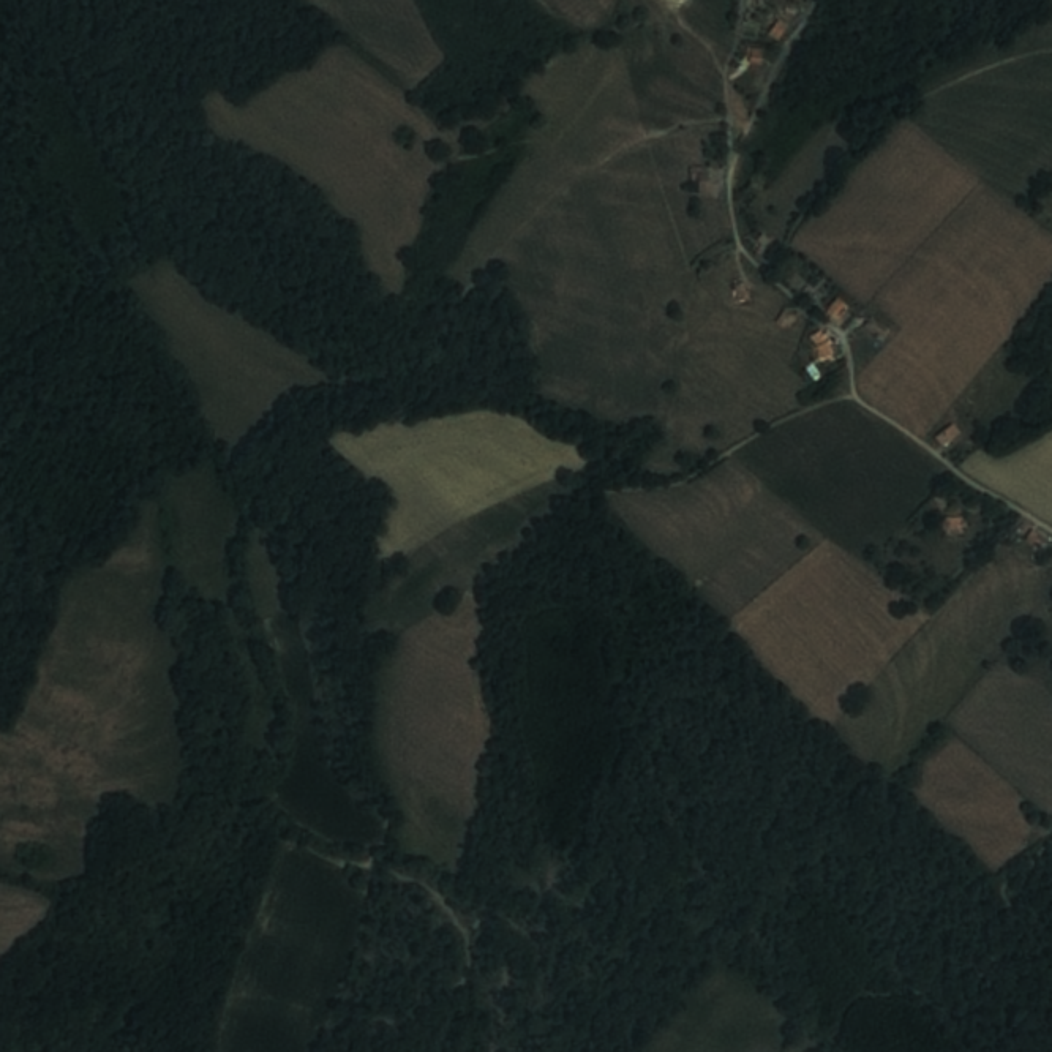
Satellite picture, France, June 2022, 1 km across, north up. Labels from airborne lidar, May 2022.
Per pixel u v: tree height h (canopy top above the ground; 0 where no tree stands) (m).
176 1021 20
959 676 0
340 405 21
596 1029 21
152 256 11
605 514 13
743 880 22
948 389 0
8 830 0
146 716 0
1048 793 0
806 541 10
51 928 14
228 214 19
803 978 22
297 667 0
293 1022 0
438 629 0
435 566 0
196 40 22
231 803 18
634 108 0
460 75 6
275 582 0
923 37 13
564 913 24
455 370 13
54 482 17
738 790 21
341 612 22
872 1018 7
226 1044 0
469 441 0
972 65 0
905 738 0
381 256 0
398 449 0
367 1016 19
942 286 0
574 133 0
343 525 23
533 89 0
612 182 0
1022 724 0
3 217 13
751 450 0
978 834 0
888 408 0
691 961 14
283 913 0
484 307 13
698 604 13
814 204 17
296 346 27
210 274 25
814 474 0
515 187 0
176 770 0
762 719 14
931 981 8
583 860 26
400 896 9
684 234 0
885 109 15
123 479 11
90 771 0
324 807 0
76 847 0
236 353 0
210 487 0
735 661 12
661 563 15
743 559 0
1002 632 0
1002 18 13
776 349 0
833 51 15
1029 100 0
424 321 22
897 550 5
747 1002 0
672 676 20
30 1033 23
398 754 0
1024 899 13
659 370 0
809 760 9
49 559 12
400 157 0
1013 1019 24
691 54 0
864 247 0
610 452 17
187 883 22
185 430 11
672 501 0
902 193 0
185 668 18
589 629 9
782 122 0
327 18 12
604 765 13
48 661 0
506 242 0
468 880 19
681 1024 0
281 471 23
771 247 14
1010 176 0
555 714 6
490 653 15
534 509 0
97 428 20
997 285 0
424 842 0
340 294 15
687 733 17
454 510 0
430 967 15
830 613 0
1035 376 9
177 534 0
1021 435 16
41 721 0
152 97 23
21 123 8
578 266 0
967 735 0
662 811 20
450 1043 20
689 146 0
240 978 0
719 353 0
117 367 13
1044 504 0
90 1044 27
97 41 28
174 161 14
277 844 19
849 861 18
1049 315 16
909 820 24
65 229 6
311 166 0
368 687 17
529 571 16
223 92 7
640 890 24
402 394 18
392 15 0
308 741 0
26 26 19
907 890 17
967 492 10
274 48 19
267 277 24
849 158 17
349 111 0
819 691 0
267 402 0
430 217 8
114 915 20
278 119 0
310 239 20
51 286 7
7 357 29
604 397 0
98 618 0
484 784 11
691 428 0
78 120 27
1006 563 0
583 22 0
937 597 10
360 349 9
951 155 0
